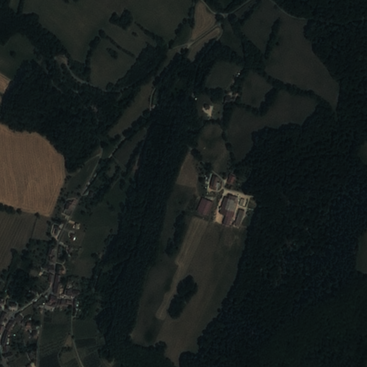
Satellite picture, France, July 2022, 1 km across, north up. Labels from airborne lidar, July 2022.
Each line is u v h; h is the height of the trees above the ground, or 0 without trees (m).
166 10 0
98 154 0
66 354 0
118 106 13
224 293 0
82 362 0
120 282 25
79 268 0
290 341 25
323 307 24
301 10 13
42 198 0
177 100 28
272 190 25
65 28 0
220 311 16
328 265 37
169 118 18
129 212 26
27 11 0
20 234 0
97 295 6
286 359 26
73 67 11
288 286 24
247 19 12
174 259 0
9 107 20
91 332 0
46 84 21
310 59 0
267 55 12
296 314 20
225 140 20
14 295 14
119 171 8
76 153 16
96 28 0
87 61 13
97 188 7
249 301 22
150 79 20
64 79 11
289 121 0
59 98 28
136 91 7
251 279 22
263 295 19
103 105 15
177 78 18
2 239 0
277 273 18
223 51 26
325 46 26
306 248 21
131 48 0
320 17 23
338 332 20
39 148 0
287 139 18
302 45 0
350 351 27
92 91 20
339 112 11
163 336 0
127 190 0
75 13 0
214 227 0
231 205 0
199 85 15
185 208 0
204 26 0
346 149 11
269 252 19
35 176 0
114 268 12
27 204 0
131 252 25
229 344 28
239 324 28
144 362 16
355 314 26
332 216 22
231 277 0
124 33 0
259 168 20
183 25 15
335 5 21
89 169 0
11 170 0
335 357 27
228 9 8
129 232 21
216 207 0
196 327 0
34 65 27
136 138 0
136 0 0
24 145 0
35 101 18
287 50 0
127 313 22
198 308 0
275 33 13
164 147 21
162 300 0
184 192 0
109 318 17
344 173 22
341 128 15
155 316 0
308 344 20
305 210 25
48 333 0
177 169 17
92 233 0
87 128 9
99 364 0
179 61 18
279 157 12
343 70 24
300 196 26
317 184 22
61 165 0
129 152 0
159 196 23
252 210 0
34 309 6
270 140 30
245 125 0
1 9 14
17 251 14
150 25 0
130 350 15
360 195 33
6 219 0
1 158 0
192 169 0
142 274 16
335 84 0
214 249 0
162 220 18
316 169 19
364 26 26
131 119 0
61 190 9
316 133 20
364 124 26
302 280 23
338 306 20
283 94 0
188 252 0
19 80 28
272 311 22
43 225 0
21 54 0
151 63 16
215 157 0
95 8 0
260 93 0
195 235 0
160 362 16
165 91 16
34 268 6
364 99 20
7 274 9
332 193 24
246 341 23
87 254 0
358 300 19
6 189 0
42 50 25
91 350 0
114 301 25
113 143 14
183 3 0
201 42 0
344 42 24
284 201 23
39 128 26
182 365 20
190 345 0
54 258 0
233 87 12
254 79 0
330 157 22
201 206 0
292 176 23
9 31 20
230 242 0
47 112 21
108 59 0
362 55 20
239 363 25
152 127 18
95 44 18
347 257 27
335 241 10
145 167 24
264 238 23
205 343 23
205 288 0
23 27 20
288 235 29
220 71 0
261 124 0
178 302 18
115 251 26
